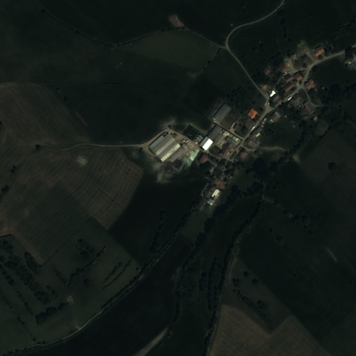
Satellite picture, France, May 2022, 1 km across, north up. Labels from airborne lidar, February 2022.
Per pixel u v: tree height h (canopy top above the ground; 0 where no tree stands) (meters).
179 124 0
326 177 0
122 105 0
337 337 0
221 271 0
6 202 0
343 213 0
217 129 0
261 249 0
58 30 0
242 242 0
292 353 0
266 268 0
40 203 0
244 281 0
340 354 0
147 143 0
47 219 0
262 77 8
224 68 0
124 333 0
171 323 0
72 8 0
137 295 0
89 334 0
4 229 0
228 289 0
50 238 0
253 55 0
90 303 0
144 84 0
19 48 0
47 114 0
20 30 0
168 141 0
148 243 0
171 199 0
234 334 0
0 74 0
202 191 0
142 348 0
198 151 0
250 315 0
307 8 0
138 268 6
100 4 0
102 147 0
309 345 0
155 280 0
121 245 0
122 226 0
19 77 0
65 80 0
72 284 6
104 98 0
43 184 0
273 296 0
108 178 0
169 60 0
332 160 0
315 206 0
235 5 0
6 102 0
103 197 0
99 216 0
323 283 0
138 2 0
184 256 0
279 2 0
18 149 0
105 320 0
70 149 0
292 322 0
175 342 0
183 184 0
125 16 0
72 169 0
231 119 0
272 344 0
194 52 0
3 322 0
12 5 0
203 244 28
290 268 0
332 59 0
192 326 0
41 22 0
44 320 17
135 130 0
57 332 0
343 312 0
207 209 0
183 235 0
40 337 0
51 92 0
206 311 0
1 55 0
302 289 0
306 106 0
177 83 0
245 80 0
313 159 0
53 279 0
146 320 0
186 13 0
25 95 0
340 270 0
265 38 0
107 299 0
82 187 0
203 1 0
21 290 0
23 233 0
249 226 14
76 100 0
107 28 0
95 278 0
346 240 0
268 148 0
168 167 0
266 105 0
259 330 0
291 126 0
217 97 0
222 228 0
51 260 0
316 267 0
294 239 0
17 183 0
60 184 0
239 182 0
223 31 0
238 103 9
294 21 0
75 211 0
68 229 0
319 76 0
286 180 0
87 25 0
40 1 0
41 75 0
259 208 13
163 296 0
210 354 0
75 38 0
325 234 0
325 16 0
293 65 0
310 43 0
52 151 0
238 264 0
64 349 0
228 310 0
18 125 0
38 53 0
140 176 0
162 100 0
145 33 0
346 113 11
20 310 0
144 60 0
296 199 0
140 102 0
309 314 0
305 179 0
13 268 19
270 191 6
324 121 0
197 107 0
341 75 0
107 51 0
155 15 0
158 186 0
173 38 0
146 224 0
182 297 29
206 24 0
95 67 0
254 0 0
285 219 0
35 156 0
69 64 0
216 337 0
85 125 0
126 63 0
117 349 0
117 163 0
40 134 0
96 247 0
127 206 0
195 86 0
